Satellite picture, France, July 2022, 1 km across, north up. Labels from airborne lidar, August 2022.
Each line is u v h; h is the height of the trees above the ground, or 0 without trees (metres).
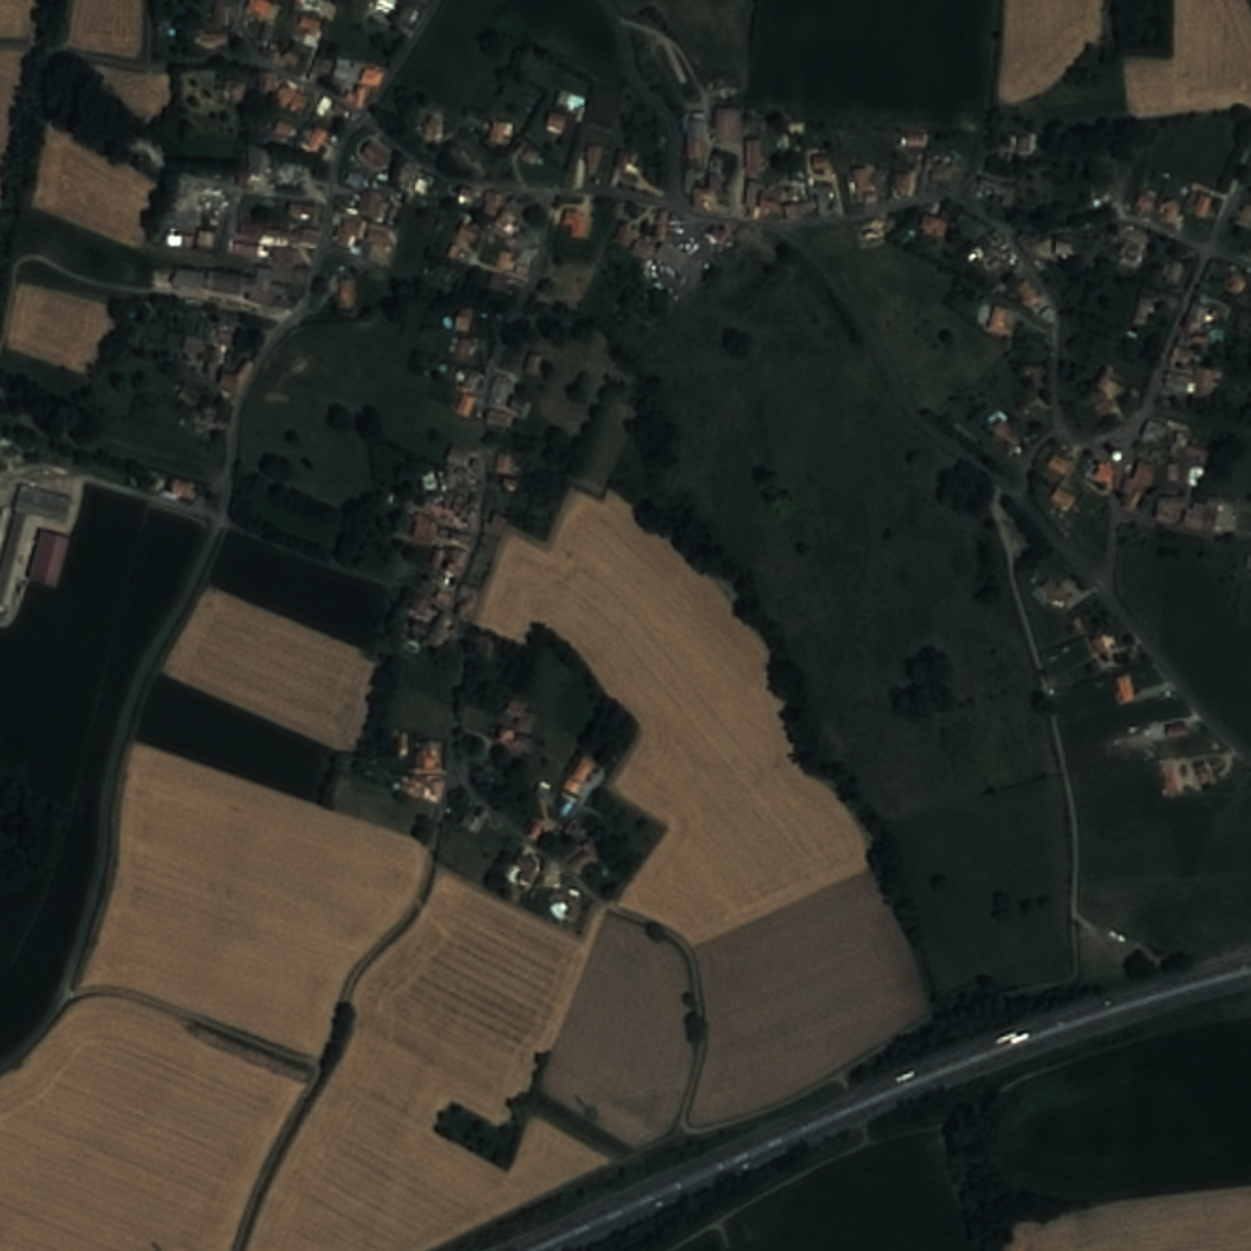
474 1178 0
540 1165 0
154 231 13
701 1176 0
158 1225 0
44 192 0
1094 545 0
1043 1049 0
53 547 0
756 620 20
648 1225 7
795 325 0
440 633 0
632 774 0
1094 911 0
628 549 0
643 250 0
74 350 0
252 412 0
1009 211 8
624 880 11
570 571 0
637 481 0
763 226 0
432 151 11
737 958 0
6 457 0
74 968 0
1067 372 6
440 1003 0
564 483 6
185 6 13
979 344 0
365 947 0
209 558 0
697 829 0
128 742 0
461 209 7
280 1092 0
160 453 0
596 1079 0
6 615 0
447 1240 0
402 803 10
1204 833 0
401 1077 0
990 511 12
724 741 0
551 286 11
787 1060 0
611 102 0
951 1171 8
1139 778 0
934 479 0
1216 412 14
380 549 7
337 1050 12
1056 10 0
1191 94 0
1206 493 7
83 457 12
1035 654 0
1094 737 0
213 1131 0
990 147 8
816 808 0
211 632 0
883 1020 0
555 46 0
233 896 0
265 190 0
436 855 7
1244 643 0
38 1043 0
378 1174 0
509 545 0
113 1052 0
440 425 0
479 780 16
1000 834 0
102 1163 0
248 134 6
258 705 0
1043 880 0
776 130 14
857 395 0
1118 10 15
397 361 0
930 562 0
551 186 0
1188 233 0
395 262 0
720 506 0
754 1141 0
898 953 0
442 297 12
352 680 0
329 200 0
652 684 0
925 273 0
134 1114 0
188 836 0
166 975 0
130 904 0
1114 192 0
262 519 5
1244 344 11
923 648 0
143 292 0
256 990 0
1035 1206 14
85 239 0
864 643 0
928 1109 18
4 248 10
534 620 0
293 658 0
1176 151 0
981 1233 19
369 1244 0
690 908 0
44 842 40
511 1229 7
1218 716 0
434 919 0
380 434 19
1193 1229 0
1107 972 0
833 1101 0
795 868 0
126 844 0
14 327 0
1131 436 0
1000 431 0
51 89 20
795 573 0
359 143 0
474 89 0
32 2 0
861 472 0
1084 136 19
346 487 0
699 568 20
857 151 0
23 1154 0
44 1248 0
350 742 0
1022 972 0
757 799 0
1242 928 0
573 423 0
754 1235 0
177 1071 0
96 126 37
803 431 0
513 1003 0
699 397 0
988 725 0
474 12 0
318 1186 0
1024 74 0
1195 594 0
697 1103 0
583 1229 0
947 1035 13
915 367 0
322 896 0
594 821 9
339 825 0
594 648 0
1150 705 0
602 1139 0
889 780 0
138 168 15
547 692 0
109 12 0
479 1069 0
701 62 0
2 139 0
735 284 0
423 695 0
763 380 0
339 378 0
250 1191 0
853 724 0
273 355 0
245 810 0
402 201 7
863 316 0
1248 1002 0
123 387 17
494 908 0
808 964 0
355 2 0
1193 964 9
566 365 0
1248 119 12
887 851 19
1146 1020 0
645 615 0
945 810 0
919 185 0
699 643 0
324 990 0
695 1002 9
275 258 0
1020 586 0
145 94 0
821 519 0
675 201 0
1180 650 0
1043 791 0
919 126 0
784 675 23
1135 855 0
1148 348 9
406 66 0
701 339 0
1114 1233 0
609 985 0
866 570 0
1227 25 0
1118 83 0
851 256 0
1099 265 10
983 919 0
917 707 24
